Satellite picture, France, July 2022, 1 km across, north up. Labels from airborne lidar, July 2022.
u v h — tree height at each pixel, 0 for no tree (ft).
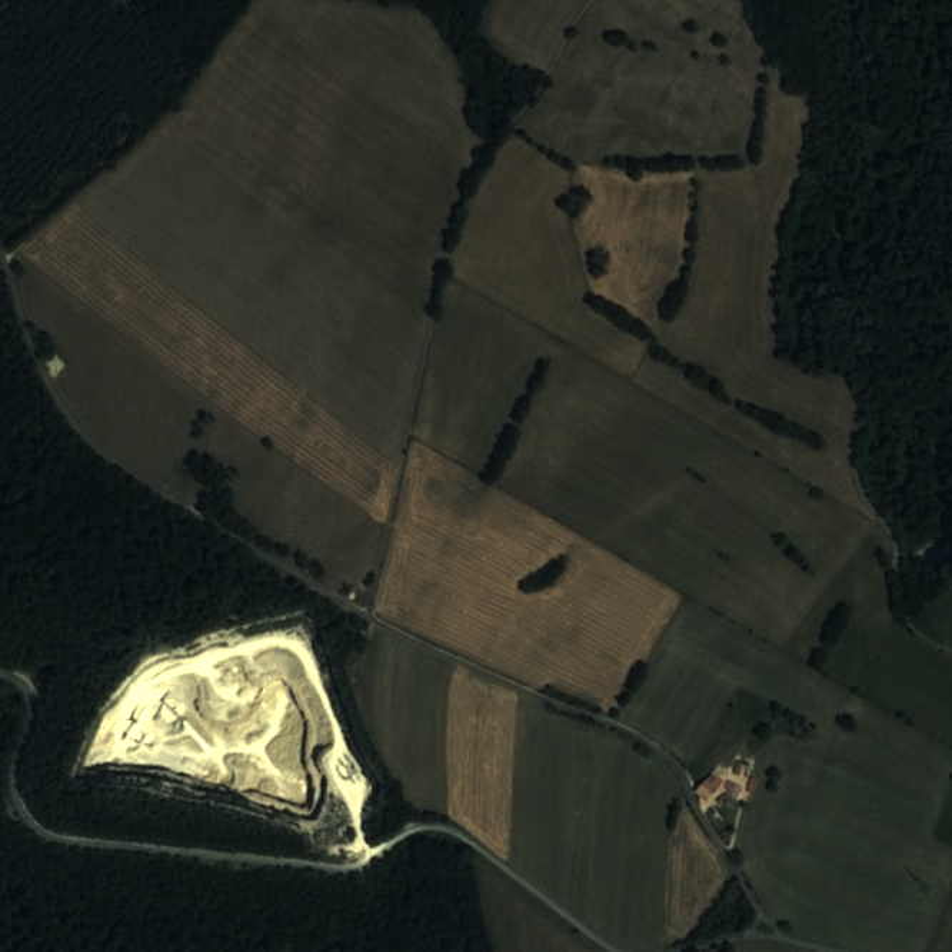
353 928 44
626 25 0
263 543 46
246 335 0
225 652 0
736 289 0
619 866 0
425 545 0
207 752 0
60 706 50
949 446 55
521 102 46
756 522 0
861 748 0
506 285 0
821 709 0
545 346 0
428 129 0
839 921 0
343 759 0
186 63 46
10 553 83
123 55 54
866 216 38
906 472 22
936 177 83
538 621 0
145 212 0
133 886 67
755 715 0
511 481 0
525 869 0
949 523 69
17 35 51
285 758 0
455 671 0
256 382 0
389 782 31
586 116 0
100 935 95
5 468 47
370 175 0
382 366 0
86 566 70
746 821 0
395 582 0
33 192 46
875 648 0
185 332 0
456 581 0
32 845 57
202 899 74
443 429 0
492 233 0
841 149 101
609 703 0
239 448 0
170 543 87
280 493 0
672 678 0
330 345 0
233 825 31
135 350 0
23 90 58
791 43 52
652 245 0
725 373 0
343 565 0
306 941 86
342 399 0
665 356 48
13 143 51
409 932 98
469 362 0
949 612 0
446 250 40
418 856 94
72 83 46
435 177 0
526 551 0
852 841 0
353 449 0
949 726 0
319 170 0
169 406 0
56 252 0
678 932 0
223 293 0
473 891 64
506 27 0
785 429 76
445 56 0
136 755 0
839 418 0
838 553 0
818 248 94
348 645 54
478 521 0
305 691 0
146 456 0
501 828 0
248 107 0
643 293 0
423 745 0
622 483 0
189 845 38
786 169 0
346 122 0
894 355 124
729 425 0
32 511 71
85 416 0
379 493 0
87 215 0
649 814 0
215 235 0
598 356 0
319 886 40
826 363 69
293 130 0
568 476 0
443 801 0
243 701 0
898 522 94
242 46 0
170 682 0
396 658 0
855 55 73
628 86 0
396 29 0
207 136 0
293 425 0
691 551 0
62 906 97
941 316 100
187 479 0
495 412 0
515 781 0
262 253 0
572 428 0
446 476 0
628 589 0
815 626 0
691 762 0
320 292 0
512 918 0
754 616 0
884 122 129
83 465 57
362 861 0
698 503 0
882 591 0
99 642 71
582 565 0
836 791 0
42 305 0
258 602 50
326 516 0
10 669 75
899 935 0
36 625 40
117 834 38
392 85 0
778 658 0
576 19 0
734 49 0
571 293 0
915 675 0
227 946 99
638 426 0
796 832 0
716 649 0
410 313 0
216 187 0
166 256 0
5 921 119
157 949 108
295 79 0
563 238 0
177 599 79
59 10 40
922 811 0
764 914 0
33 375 27
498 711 0
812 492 32
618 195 0
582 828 0
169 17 44
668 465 0
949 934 0
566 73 0
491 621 0
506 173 0
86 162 37
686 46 0
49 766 43
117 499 66
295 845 20
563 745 0
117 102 42
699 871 0
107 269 0
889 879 0
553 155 46
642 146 0
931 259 81
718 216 0
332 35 0
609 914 0
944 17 41
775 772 53
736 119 0
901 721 39
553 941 0
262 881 42
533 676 0
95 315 0
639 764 0
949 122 105
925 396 114
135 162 0
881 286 87
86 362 0
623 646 0
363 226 0
